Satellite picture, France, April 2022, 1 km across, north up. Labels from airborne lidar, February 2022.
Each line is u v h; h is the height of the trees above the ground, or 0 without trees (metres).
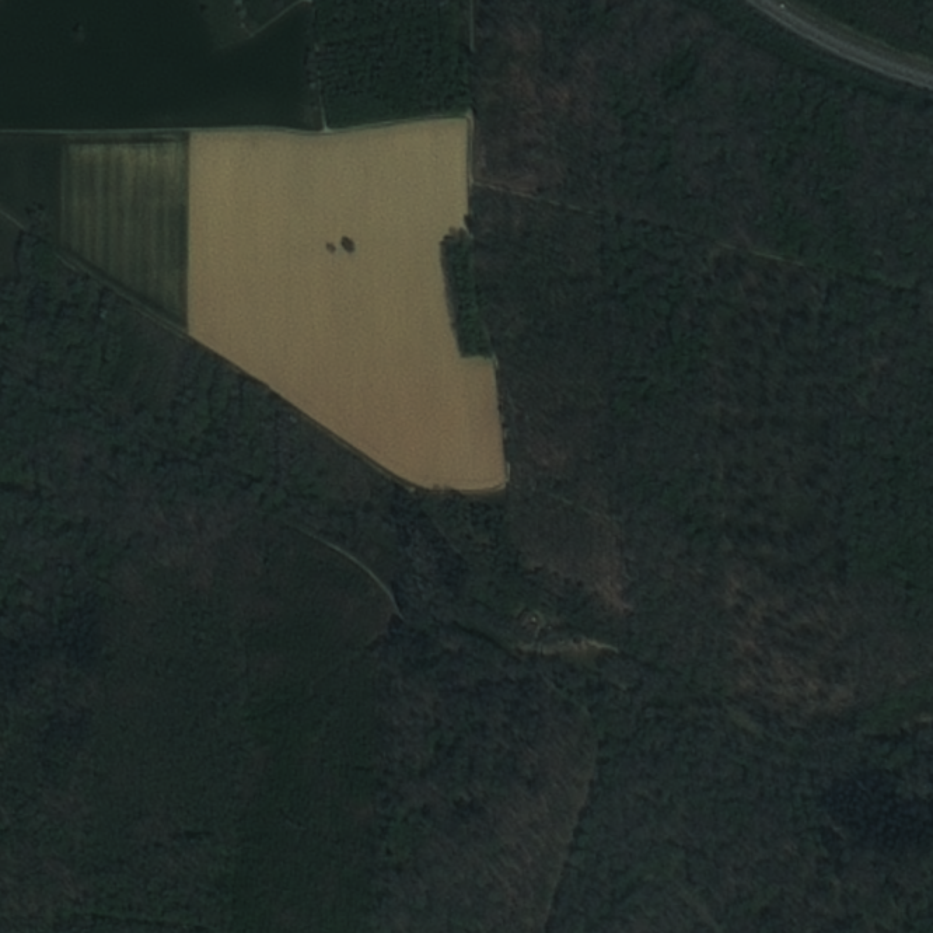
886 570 20
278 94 0
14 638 24
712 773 23
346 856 6
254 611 14
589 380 21
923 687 22
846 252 23
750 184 25
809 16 0
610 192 20
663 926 28
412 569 21
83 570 25
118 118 0
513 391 15
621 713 19
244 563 16
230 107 0
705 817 26
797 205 24
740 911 27
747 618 27
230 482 24
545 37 20
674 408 25
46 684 26
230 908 20
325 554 8
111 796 16
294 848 8
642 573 24
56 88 0
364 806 14
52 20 0
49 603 26
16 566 27
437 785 29
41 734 15
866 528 25
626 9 21
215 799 19
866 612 28
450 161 0
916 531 28
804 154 20
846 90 24
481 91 25
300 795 7
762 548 28
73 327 26
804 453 26
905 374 30
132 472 26
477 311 18
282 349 0
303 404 0
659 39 26
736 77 25
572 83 22
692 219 20
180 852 20
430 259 0
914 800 27
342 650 7
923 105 12
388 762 25
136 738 18
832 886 16
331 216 0
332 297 0
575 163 16
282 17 0
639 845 24
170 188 0
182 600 13
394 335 0
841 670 0
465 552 15
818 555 26
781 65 25
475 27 0
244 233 0
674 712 7
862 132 31
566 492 18
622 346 28
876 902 25
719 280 23
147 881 21
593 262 19
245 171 0
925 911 24
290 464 31
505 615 16
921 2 10
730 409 26
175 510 27
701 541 22
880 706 22
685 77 10
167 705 16
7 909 25
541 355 19
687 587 29
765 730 28
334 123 7
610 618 13
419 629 20
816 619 25
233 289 0
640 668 27
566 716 26
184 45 0
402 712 27
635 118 20
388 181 0
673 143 23
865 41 0
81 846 20
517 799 26
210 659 16
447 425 0
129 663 16
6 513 30
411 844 20
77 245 0
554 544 14
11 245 0
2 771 12
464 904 25
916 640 27
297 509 18
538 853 29
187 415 25
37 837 20
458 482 0
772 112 26
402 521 30
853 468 21
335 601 6
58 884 21
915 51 10
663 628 25
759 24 14
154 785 19
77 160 0
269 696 6
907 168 30
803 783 30
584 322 18
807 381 28
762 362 25
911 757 19
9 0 0
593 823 28
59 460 25
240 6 7
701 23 25
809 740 17
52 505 23
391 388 0
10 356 24
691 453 29
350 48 12
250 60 0
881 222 29
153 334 9
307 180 0
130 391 9
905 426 26
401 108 9
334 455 12
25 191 0
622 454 28
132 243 0
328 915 7
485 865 25
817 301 26
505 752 25
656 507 27
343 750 6
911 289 19
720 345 26
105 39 0
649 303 25
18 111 0
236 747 16
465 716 25
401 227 0
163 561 26
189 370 25
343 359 0
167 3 0
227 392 23
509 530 12
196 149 0
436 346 0
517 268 18
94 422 22
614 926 24
